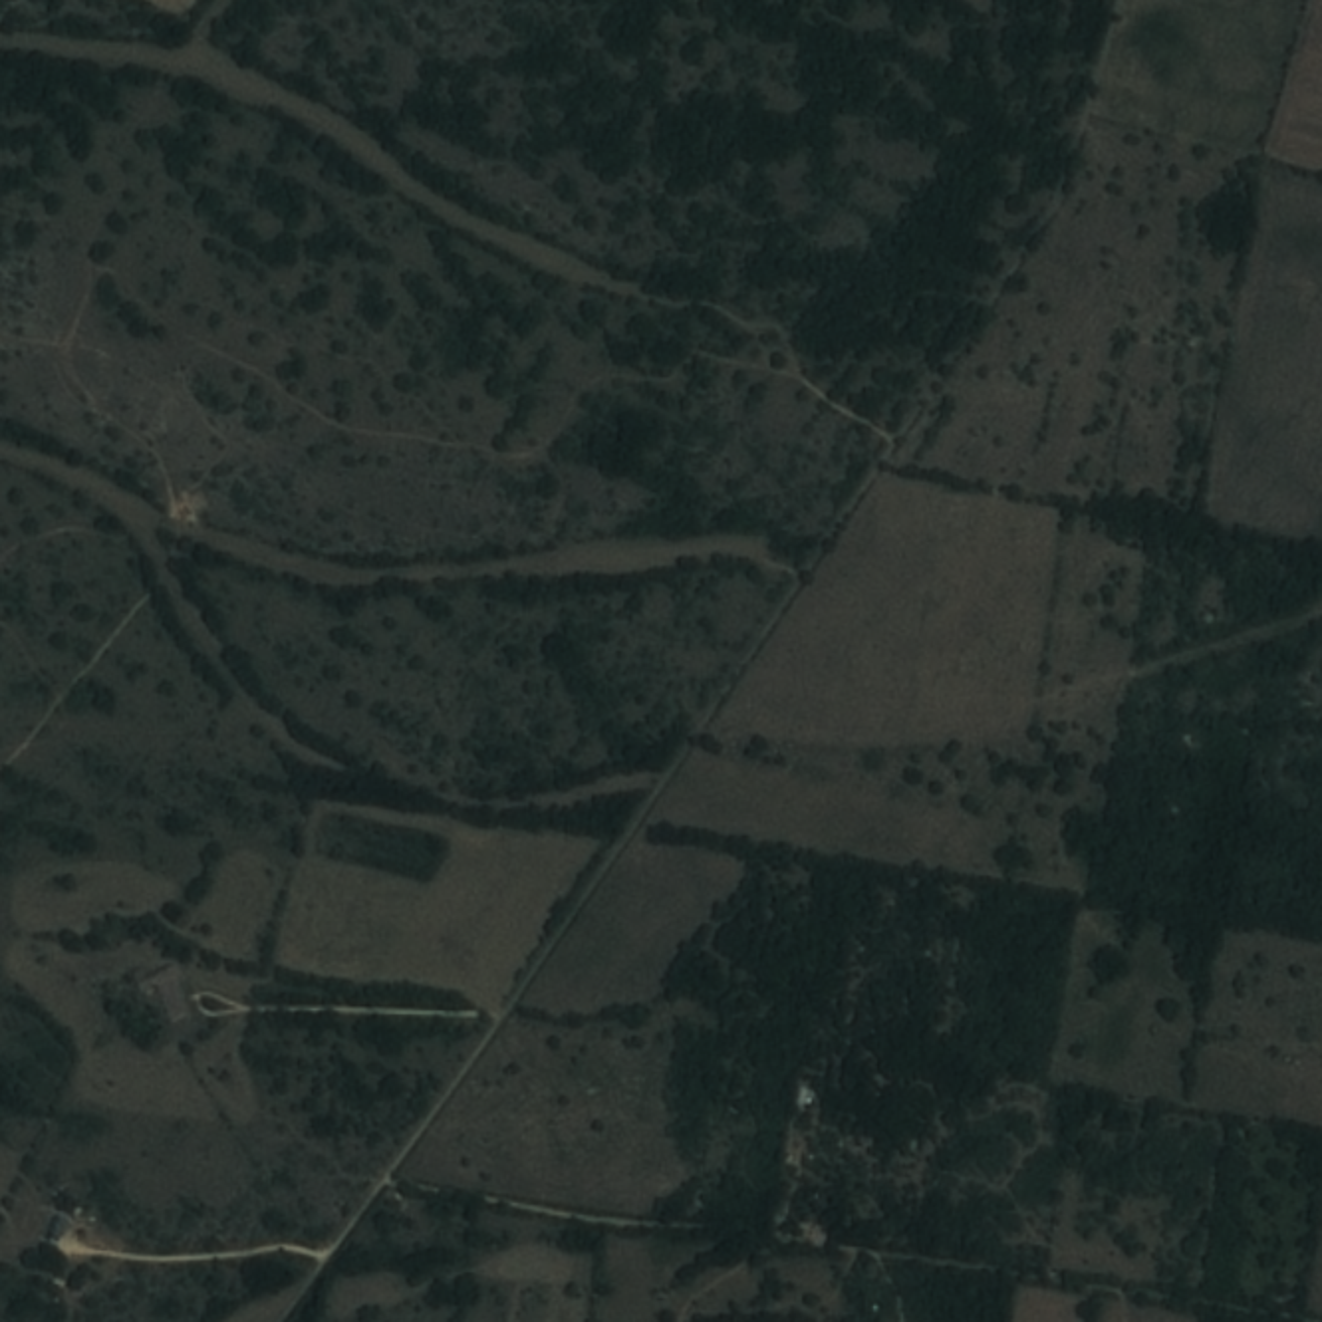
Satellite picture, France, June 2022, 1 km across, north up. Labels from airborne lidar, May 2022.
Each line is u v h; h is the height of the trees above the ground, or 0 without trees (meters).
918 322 13
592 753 0
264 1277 13
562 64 7
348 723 0
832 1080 10
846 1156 10
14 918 0
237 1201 0
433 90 6
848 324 11
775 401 0
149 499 10
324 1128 13
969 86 10
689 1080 10
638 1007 6
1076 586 0
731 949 11
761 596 0
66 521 0
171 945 11
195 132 7
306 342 0
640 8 9
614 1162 0
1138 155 0
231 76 0
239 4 7
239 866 0
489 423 0
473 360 9
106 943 6
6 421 9
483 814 10
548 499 9
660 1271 0
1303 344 0
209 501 0
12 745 0
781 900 11
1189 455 12
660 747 10
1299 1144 9
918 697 0
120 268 0
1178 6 0
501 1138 0
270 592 0
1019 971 9
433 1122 0
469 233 6
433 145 0
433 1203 8
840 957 11
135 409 0
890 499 0
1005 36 11
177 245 0
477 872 0
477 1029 9
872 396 9
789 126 8
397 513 0
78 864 0
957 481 6
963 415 0
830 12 6
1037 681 0
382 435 0
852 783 0
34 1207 0
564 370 0
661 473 5
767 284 11
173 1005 0
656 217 6
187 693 0
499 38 8
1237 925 11
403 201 6
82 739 0
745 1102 9
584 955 0
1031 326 0
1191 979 16
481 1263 0
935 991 7
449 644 0
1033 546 0
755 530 8
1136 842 8
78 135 12
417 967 0
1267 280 0
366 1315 11
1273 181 0
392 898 0
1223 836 8
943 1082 11
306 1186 0
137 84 7
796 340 8
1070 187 8
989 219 5
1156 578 6
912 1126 13
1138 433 0
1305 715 8
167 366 0
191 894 10
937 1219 7
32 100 10
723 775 0
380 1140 7
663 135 9
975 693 0
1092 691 0
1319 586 11
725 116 8
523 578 6
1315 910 6
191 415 0
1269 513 0
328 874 0
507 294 8
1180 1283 6
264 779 8
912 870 9
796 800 0
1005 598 0
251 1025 7
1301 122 0
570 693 6
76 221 0
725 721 0
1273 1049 6
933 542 0
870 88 10
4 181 9
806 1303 7
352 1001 9
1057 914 8
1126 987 0
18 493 7
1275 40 0
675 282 13
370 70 6
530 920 0
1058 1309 0
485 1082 8
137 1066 0
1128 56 0
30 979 0
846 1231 10
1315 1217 14
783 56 6
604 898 0
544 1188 0
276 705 9
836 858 6
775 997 9
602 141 7
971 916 7
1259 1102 0
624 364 9
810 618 0
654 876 0
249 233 7
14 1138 0
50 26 10
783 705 0
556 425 0
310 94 8
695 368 9
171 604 11
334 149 13
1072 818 6
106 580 0
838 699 0
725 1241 10
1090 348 0
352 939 0
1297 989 0
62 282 0
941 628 0
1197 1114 7
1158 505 10
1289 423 0
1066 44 8
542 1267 0
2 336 0
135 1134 0
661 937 0
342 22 7
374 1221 9
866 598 0
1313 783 9
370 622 0
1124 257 0
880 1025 10
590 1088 0
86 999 0
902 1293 8
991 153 7
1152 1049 0
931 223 12
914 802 0
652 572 6
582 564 0
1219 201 9
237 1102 0
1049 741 7
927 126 8
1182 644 9
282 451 0
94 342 0
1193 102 0
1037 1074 5
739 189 8
